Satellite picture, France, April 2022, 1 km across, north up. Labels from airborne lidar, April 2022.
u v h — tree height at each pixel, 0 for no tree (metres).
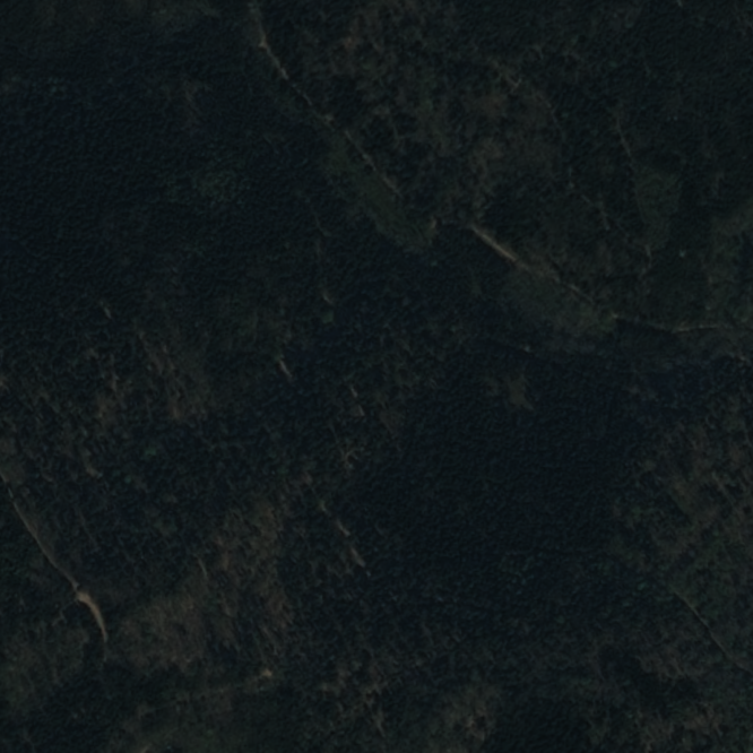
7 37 24
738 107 22
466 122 11
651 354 23
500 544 29
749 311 20
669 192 10
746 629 31
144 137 29
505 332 25
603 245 14
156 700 14
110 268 32
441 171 17
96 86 20
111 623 31
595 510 34
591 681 24
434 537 32
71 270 32
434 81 21
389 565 20
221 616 15
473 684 25
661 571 29
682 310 21
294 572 32
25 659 18
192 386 33
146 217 30
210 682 15
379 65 22
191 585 13
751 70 22
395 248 30
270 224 32
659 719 12
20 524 13
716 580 25
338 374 34
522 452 23
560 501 31
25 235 33
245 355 33
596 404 25
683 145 25
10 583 19
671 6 24
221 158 33
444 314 28
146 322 32
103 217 32
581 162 9
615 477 30
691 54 25
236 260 28
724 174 17
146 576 14
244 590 8
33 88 23
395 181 15
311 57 17
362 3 11
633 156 15
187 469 32
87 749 29
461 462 31
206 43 26
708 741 27
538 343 26
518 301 24
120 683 20
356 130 7
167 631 16
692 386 12
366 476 30
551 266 17
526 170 14
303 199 22
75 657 13
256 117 30
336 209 30
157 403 36
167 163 30
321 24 19
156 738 17
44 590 19
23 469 20
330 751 15
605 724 17
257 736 17
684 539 29
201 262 29
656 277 17
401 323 30
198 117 24
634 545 23
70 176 34
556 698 18
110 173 31
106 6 24
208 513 36
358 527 38
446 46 29
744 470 12
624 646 8
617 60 27
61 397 33
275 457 31
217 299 28
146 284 31
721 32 20
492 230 9
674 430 30
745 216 27
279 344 23
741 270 19
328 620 32
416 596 31
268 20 21
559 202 8
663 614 28
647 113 29
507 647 27
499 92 12
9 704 26
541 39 23
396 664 27
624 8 27
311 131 28
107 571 33
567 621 30
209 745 15
